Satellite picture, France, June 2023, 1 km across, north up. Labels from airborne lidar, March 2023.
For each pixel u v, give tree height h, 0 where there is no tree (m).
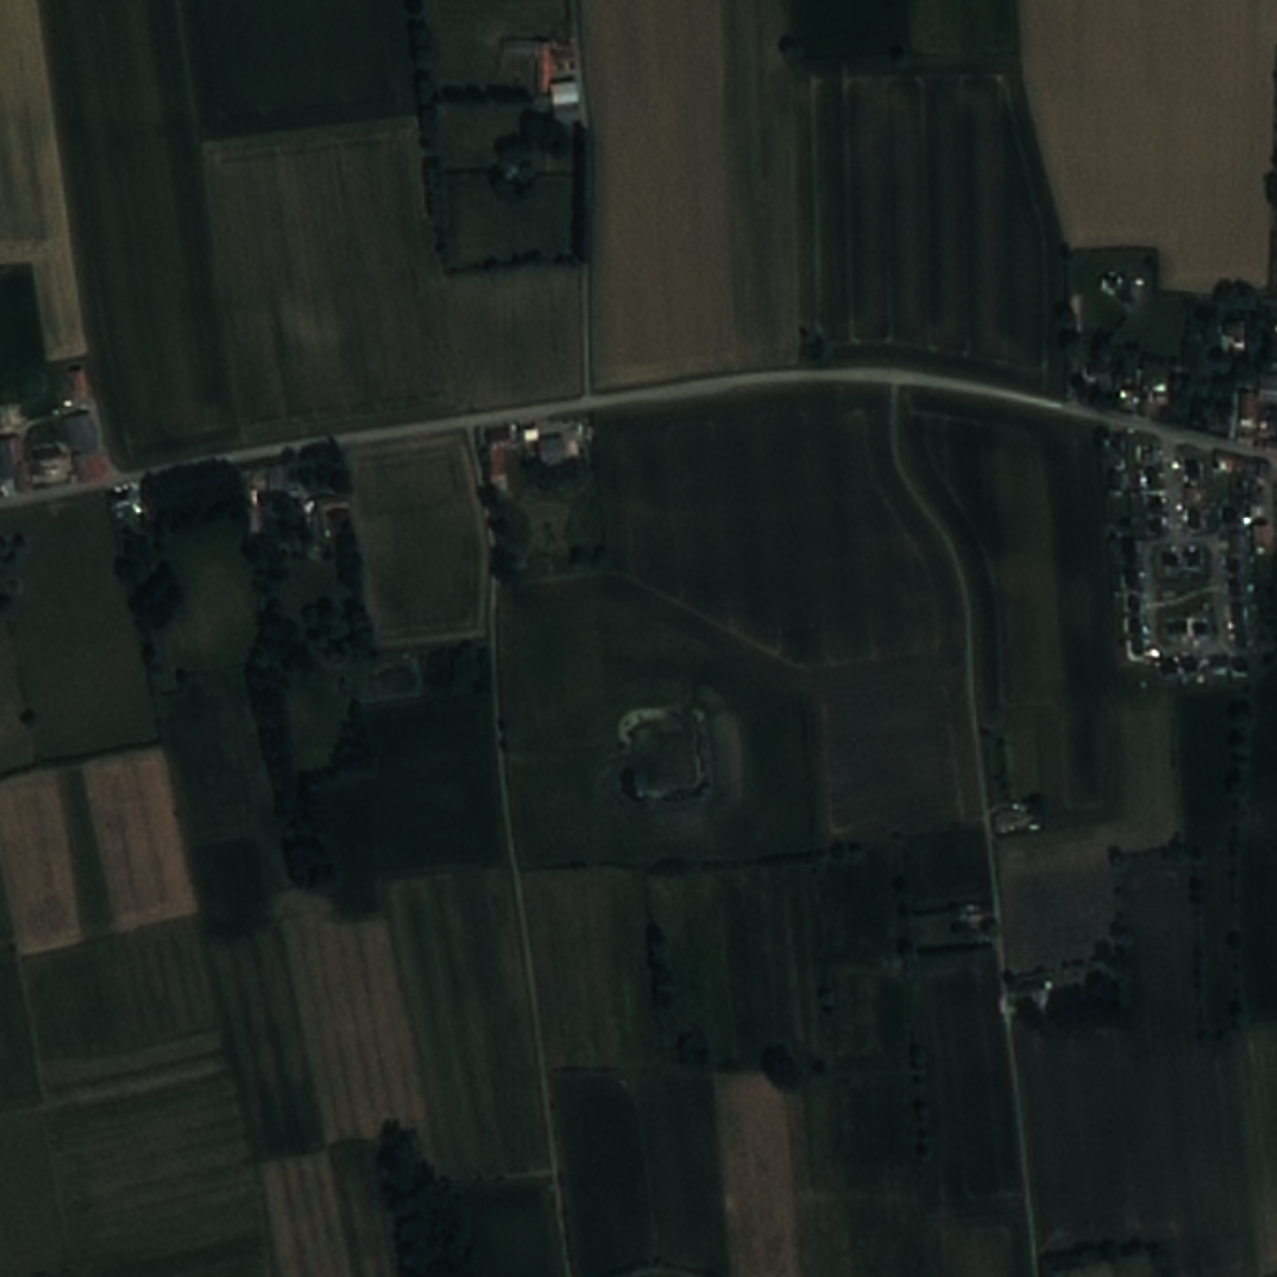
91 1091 0
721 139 0
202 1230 0
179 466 0
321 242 0
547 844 0
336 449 19
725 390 0
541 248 0
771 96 0
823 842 0
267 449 0
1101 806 0
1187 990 0
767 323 0
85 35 0
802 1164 0
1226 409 9
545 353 0
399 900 0
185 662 0
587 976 0
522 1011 0
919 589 0
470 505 0
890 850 0
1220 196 0
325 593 0
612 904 0
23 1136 0
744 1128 0
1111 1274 0
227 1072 0
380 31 0
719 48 0
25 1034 0
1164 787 0
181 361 0
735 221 0
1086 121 0
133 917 0
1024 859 0
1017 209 0
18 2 0
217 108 0
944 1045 0
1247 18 0
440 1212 27
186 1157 0
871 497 0
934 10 0
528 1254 0
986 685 0
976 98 0
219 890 0
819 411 0
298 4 0
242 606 0
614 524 0
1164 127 0
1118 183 0
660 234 0
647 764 0
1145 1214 0
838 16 0
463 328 0
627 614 0
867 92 0
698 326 0
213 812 0
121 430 0
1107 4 0
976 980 0
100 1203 0
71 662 0
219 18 0
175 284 0
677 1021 0
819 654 0
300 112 0
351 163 0
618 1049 0
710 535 0
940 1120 0
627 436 0
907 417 0
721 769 0
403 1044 0
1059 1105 0
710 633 0
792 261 0
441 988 0
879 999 0
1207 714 0
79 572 0
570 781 0
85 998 0
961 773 0
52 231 0
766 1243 0
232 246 0
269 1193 0
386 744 0
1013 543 0
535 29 0
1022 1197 0
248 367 0
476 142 0
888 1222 0
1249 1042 0
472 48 0
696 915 0
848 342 0
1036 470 0
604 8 0
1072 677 0
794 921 0
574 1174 0
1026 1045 0
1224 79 0
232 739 0
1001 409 0
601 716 0
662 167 0
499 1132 0
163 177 0
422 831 0
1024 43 0
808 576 0
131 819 0
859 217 0
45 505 0
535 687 0
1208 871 0
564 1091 0
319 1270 0
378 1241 0
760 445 0
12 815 0
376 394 0
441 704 0
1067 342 15
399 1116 0
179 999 0
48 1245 0
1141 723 0
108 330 0
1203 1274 0
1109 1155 0
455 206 0
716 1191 0
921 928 0
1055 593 0
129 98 0
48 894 0
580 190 13
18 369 0
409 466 0
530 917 0
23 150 0
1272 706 0
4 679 0
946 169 0
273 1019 0
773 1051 0
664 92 0
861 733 0
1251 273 0
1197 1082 0
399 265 0
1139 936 0
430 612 0
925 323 0
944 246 0
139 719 0
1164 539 0
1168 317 0
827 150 0
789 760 0
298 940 0
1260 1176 0
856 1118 0
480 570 0
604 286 0
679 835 0
